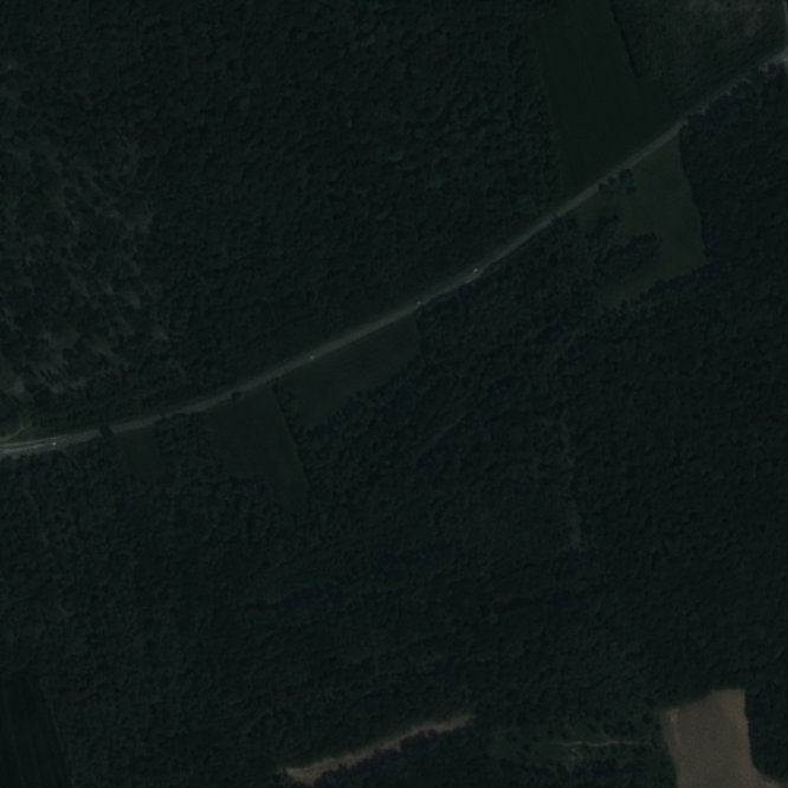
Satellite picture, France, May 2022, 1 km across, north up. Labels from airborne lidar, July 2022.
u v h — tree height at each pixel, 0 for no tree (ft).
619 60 0
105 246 79
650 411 89
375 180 84
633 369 102
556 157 40
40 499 87
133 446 0
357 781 88
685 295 79
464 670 88
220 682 69
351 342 0
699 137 90
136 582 95
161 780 95
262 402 0
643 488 96
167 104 98
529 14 67
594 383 91
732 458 79
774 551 93
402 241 90
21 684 0
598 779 94
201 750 100
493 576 64
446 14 94
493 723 51
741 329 105
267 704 91
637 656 83
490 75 96
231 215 74
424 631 87
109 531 91
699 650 94
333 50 92
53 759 0
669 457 91
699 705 0
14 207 0
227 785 93
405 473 82
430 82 96
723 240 94
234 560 109
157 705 70
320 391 0
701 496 90
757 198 93
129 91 65
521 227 19
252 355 51
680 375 94
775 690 99
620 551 92
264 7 88
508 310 92
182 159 79
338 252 84
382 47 85
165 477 0
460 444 86
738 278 84
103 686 31
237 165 65
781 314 100
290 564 31
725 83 23
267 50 85
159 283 77
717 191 91
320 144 73
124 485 84
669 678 102
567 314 30
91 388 65
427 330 74
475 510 73
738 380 94
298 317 35
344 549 31
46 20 73
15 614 105
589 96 0
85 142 93
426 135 85
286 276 70
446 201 63
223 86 96
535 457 42
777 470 96
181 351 82
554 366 61
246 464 0
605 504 89
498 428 99
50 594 79
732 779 0
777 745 85
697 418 75
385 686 58
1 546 64
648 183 0
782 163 91
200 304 72
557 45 0
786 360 87
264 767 98
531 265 62
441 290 0
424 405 98
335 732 96
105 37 91
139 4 84
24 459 32
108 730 96
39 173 88
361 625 91
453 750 82
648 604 87
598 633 89
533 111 74
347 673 73
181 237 84
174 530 99
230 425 0
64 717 52
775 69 51
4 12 85
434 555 85
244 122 92
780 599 105
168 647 97
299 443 66
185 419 36
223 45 87
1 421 44
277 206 95
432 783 88
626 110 0
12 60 62
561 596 50
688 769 0
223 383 46
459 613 94
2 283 101
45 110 80
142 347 77
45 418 31
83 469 69
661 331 77
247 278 81
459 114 71
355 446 68
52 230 86
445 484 77
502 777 54
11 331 84
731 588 84
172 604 92
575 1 0
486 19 92
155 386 50
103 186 84
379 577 82
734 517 93
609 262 72
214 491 88
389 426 89
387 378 0
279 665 84
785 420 80
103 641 99
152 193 74
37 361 90
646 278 0
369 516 76
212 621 104
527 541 55
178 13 82
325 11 95
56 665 63
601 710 33
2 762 0
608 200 30
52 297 84
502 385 57
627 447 98
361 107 100
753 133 98
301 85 90
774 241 93
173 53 91
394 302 42
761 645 90
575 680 77
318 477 73
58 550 73
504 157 81
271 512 62
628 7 72
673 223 0
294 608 88
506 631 91
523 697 60
